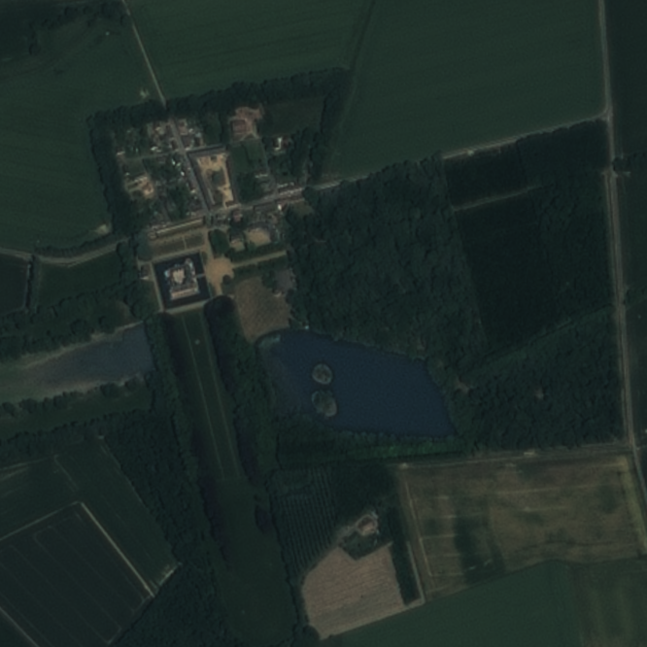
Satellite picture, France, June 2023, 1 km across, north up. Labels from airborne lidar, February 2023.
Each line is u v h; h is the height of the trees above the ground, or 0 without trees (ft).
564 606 0
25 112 0
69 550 0
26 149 0
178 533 38
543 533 0
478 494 0
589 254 29
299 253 55
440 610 0
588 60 0
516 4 0
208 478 97
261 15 0
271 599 0
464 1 0
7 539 0
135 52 0
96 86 0
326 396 43
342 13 0
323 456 47
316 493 90
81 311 56
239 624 0
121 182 52
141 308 99
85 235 0
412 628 0
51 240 0
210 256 0
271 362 0
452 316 85
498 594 0
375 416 0
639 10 0
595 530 0
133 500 0
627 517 0
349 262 95
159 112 65
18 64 0
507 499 0
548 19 0
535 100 0
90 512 0
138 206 55
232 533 0
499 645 0
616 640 0
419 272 90
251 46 0
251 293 0
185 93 0
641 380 0
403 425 0
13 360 30
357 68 0
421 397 0
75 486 0
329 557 0
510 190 27
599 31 0
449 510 0
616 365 52
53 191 0
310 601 0
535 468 0
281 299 0
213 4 0
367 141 0
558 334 54
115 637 0
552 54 0
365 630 0
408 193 92
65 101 0
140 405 0
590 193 73
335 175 0
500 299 18
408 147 0
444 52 0
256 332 0
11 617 0
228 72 0
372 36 0
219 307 88
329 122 55
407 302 96
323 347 0
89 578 0
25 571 0
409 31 0
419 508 0
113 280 0
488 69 0
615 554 0
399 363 0
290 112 0
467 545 0
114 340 0
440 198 93
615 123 0
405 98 0
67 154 0
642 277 0
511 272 18
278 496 73
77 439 83
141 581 0
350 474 44
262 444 94
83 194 0
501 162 25
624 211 0
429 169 68
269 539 0
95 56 0
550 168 69
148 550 0
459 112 0
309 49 0
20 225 0
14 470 0
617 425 72
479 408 41
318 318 95
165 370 86
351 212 33
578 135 63
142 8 0
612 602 0
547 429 79
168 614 78
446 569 0
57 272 0
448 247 70
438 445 51
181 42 0
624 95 0
